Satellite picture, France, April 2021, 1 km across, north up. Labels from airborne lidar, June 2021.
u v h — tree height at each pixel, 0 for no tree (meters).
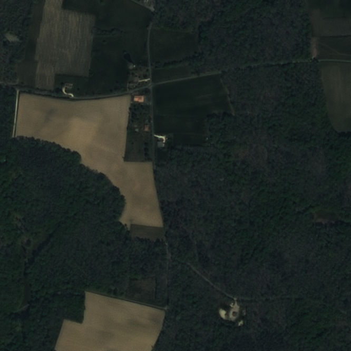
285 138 16
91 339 0
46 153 21
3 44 7
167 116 0
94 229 17
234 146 19
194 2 21
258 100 19
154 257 20
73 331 0
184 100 0
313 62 14
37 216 16
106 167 0
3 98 21
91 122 0
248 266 18
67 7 0
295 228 19
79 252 21
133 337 0
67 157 20
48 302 24
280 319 16
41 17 0
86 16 0
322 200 20
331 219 0
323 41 0
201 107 0
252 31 20
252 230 28
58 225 17
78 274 18
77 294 18
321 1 0
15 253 18
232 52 19
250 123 18
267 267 12
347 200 22
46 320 24
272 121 20
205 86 0
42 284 26
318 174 17
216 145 18
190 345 13
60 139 0
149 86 0
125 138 0
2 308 19
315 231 15
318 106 21
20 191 19
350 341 17
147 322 0
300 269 13
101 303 0
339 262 14
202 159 21
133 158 0
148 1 0
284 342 25
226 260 20
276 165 19
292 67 18
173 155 15
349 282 23
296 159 19
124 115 0
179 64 9
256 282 15
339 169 28
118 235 20
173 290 19
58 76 0
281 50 17
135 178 0
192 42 0
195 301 11
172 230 17
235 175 26
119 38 0
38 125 0
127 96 0
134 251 21
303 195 22
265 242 22
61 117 0
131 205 0
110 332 0
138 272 18
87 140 0
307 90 11
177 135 0
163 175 13
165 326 15
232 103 14
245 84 18
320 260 15
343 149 24
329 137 16
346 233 21
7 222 25
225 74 18
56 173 21
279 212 23
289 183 25
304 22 20
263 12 24
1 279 19
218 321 12
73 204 22
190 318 13
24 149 20
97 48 0
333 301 16
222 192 20
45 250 21
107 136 0
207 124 7
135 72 0
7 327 20
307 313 18
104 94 0
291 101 20
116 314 0
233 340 12
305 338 19
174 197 14
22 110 0
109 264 15
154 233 0
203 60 19
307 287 21
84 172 23
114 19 0
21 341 24
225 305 0
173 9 20
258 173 25
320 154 16
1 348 22
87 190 24
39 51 0
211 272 11
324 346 23
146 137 0
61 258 21
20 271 12
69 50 0
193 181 20
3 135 21
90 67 0
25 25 10
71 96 0
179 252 20
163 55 0
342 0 0
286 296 13
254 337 13
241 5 24
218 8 14
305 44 18
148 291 0
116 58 0
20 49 11
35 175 13
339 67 0
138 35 0
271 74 17
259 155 14
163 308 0
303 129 14
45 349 18
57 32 0
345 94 0
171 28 18
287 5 23
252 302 16
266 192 26
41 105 0
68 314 20
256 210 18
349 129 0
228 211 22
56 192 21
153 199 0
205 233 18
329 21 0
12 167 21
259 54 17
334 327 10
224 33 21
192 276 10
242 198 17
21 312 0
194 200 17
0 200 23
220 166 20
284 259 18
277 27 18
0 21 7
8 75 6
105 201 22
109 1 0
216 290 14
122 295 17
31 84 0
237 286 14
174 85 0
